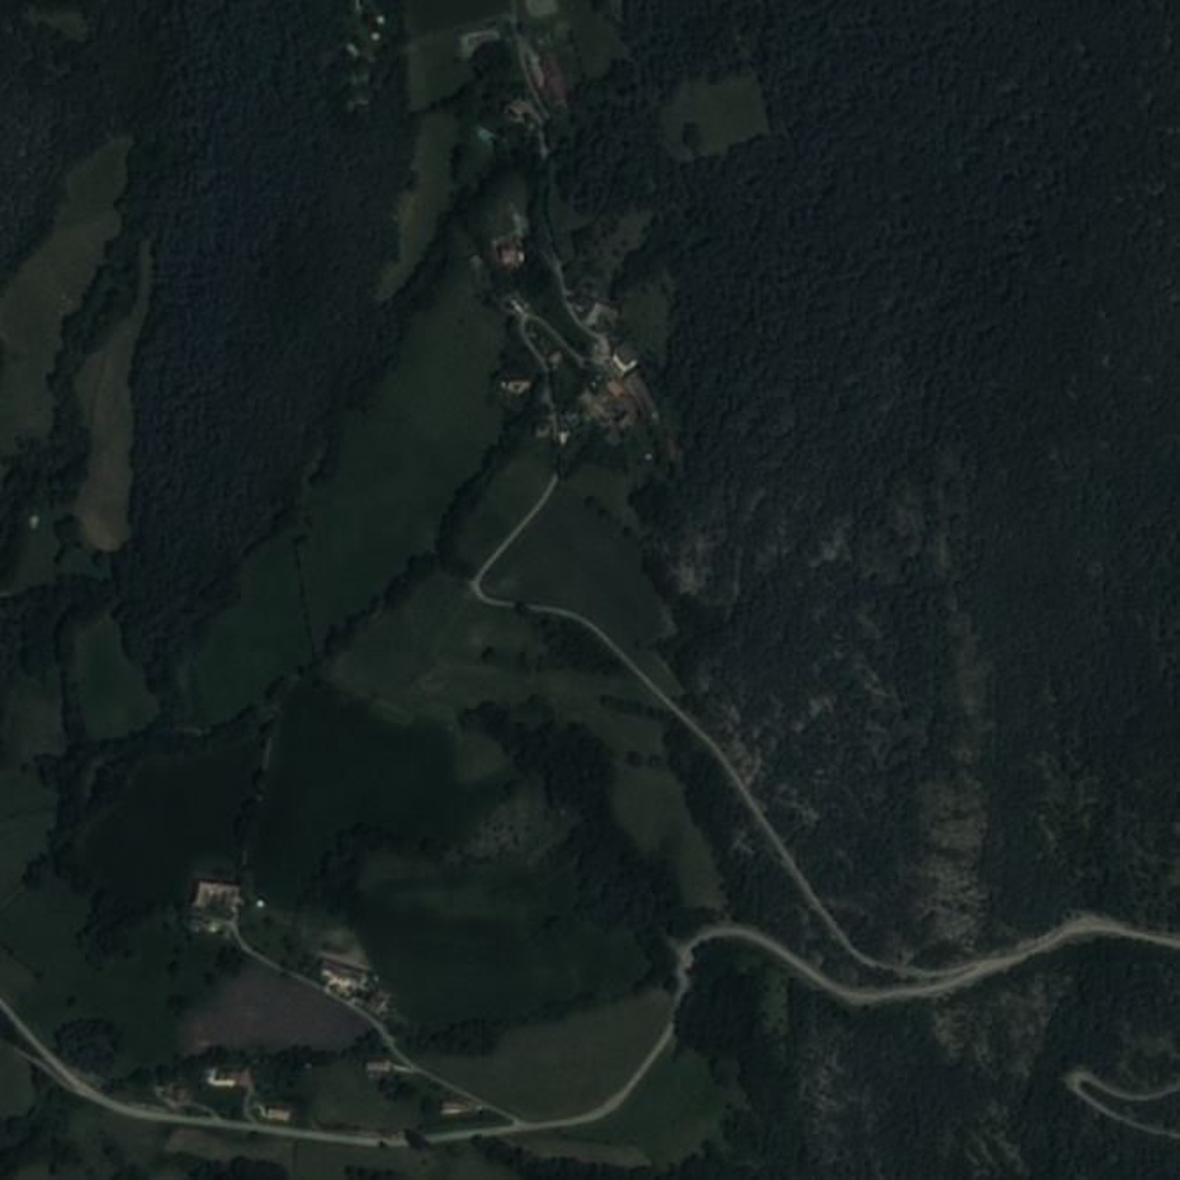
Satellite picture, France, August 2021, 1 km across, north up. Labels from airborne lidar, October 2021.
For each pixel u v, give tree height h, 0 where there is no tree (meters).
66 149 10
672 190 9
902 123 10
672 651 10
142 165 15
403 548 0
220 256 10
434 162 0
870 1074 9
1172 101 15
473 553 0
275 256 11
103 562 14
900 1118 12
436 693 0
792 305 12
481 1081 0
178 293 12
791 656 9
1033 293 16
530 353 12
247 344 10
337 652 12
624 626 0
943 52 12
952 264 13
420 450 0
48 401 0
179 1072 10
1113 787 7
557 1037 0
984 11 12
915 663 8
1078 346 8
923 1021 8
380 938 0
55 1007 0
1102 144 13
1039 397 10
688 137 9
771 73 13
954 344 12
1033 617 12
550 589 0
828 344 10
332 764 0
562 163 12
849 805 7
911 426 9
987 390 11
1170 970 9
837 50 11
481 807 0
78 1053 11
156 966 0
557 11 0
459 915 0
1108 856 10
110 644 0
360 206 9
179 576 16
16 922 0
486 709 12
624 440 6
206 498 12
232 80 10
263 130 11
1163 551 10
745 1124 12
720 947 13
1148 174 10
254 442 12
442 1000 0
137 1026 0
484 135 0
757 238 13
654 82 7
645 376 10
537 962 0
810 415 9
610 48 0
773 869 9
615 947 0
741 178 12
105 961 10
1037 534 14
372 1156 0
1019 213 16
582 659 9
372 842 22
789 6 14
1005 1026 7
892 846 7
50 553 0
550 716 8
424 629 0
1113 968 17
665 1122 0
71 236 0
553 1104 0
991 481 8
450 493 0
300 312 13
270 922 8
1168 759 11
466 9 0
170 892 0
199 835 0
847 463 10
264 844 0
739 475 6
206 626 17
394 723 0
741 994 17
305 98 14
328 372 14
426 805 0
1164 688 10
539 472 0
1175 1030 12
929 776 8
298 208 15
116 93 9
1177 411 13
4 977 0
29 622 25
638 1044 0
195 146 10
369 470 0
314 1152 0
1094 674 7
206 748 14
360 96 10
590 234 10
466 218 16
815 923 6
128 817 0
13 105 10
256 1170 15
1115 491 9
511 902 0
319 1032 0
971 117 12
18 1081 0
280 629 0
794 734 7
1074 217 11
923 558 7
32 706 0
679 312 8
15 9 11
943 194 13
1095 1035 13
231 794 0
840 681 6
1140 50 13
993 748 9
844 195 10
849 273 11
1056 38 15
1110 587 11
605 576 0
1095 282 8
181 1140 0
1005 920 7
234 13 12
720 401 8
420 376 0
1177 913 8
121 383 0
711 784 10
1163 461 12
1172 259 12
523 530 0
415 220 0
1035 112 13
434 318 0
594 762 15
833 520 8
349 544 0
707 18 9
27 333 0
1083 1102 8
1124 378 12
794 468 10
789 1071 7
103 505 0
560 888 0
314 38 17
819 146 11
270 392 15
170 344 13
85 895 9
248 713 10
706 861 0
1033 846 8
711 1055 16
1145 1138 13
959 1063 8
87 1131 0
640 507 13
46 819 0
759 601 6
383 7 10
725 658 5
